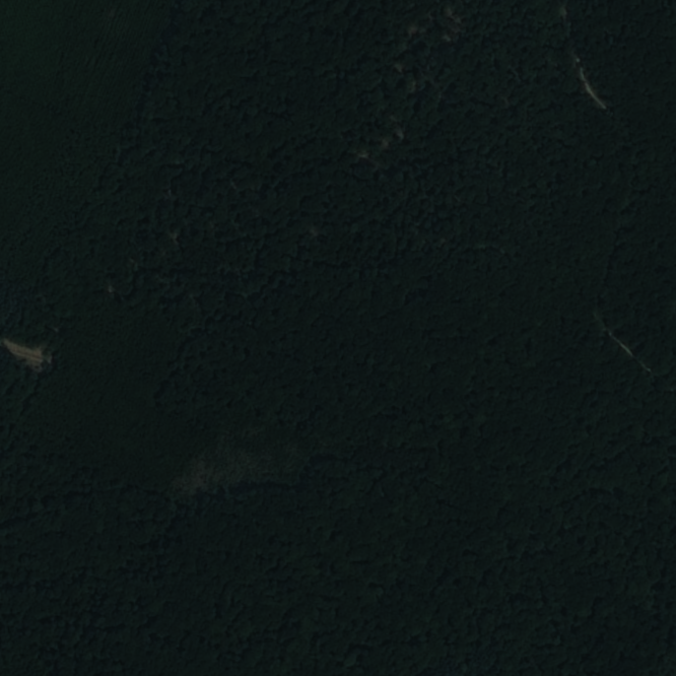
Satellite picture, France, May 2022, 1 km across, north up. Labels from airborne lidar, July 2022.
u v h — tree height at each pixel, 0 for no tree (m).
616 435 29
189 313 26
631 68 28
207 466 8
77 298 22
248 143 30
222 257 12
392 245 20
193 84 26
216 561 29
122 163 19
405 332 28
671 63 28
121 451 17
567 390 29
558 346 26
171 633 27
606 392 26
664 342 31
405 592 29
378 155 12
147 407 13
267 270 25
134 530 30
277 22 30
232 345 27
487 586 30
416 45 10
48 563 27
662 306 29
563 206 27
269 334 31
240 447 7
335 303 29
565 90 25
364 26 21
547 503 29
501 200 28
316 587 28
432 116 29
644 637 31
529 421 23
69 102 9
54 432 17
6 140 13
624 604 29
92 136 13
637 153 24
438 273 25
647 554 28
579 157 26
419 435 25
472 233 25
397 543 26
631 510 26
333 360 27
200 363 26
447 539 26
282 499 29
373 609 32
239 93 30
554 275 29
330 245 23
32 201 16
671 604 24
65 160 15
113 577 28
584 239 24
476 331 26
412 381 26
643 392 29
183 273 28
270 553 23
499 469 28
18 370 21
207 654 26
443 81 29
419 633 29
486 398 31
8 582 10
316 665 31
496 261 25
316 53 28
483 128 23
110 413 14
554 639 29
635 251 31
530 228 30
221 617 28
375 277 27
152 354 15
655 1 27
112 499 23
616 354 27
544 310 29
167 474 13
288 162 29
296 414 29
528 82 29
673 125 25
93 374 17
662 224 28
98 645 22
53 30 8
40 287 25
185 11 26
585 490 12
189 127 27
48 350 8
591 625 31
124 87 6
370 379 27
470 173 28
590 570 25
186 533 30
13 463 22
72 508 27
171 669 24
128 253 23
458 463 27
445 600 29
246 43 20
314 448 10
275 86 30
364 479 26
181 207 29
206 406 26
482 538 26
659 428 31
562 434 30
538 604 27
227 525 29
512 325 29
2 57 8
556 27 27
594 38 26
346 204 25
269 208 28
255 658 21
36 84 8
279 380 32
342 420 25
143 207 26
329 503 27
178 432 15
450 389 29
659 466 26
